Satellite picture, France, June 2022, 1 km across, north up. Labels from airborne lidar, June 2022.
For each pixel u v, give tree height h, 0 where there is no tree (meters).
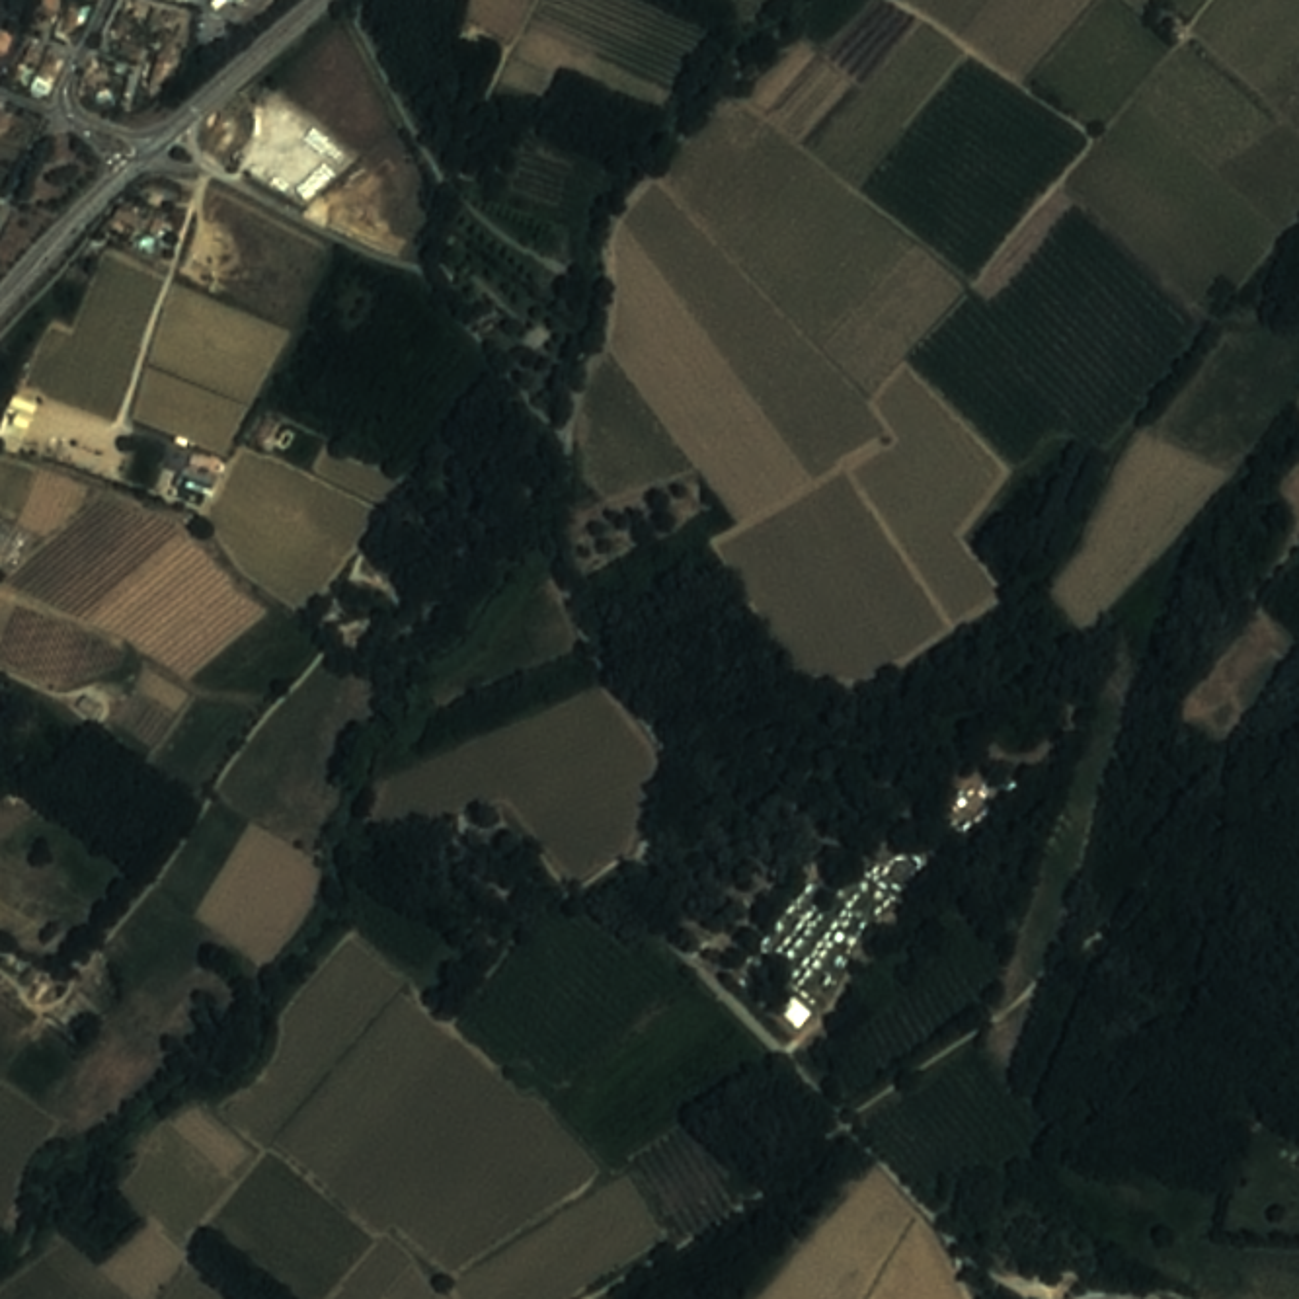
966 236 7
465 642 9
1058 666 23
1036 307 6
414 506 29
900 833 24
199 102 0
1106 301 5
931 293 0
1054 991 25
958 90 7
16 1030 0
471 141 10
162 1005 0
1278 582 11
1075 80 0
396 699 7
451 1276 12
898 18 0
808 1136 20
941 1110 6
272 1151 0
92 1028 21
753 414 0
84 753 18
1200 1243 0
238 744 8
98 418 0
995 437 6
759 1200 9
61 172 12
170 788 22
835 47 0
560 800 0
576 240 8
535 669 8
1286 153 0
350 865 17
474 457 24
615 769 0
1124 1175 15
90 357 0
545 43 0
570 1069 5
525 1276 0
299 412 7
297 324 0
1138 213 0
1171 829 22
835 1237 0
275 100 0
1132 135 0
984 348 6
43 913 0
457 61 13
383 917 6
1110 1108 22
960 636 10
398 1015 0
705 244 0
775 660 15
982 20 0
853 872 25
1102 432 6
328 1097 0
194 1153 0
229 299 0
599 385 0
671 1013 0
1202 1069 22
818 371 0
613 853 0
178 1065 13
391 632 19
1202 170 0
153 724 0
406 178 0
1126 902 10
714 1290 18
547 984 7
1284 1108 19
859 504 0
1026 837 17
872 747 17
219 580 0
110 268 0
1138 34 0
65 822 15
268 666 0
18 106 10
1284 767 23
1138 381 6
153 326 0
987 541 20
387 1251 0
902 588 0
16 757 7
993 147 5
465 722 11
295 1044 0
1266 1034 23
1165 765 12
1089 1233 12
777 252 0
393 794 0
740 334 0
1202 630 26
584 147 14
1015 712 14
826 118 0
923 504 0
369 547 17
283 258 0
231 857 0
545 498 21
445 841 22
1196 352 14
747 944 26
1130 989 30
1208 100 0
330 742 0
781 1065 19
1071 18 0
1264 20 0
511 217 8
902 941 13
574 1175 0
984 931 17
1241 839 19
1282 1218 15
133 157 0
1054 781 13
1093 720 10
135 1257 0
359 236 0
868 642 0
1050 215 0
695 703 26
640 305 0
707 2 13
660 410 0
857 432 0
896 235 0
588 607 9
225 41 11
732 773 22
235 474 0
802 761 22
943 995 7
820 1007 0
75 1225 10
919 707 25
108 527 0
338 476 0
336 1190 0
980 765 18
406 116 0
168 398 0
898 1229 0
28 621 0
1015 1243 10
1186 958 16
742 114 0
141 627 0
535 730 0
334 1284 0
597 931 7
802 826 25
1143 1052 22
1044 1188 12
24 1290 0
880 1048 6
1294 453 19
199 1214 0
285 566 0
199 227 0
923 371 6
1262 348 0
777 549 0
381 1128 0
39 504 0
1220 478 0
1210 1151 21
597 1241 0
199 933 0
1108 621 13
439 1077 0
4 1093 0
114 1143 8
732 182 0
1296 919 15
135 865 23
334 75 0
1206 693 0
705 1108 22
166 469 0
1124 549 0
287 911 0
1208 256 0
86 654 0
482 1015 6
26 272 0
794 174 0
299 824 0
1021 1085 19
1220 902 17
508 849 22
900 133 0
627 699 26
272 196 0
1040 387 6
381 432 7
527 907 17
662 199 0
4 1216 0
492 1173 0
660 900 28
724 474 0
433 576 22
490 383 20
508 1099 0
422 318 6
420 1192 0
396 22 15
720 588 29
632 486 0
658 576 10
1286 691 19
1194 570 27
